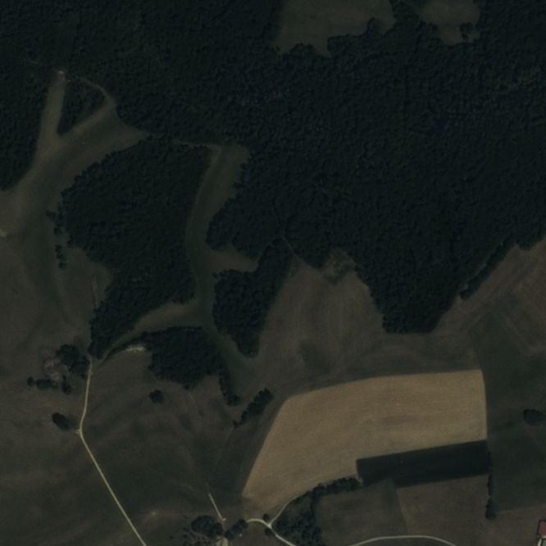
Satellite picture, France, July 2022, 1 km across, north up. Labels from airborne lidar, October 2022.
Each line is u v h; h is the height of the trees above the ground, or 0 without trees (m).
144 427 0
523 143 16
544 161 22
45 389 13
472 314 0
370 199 21
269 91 25
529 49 24
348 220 20
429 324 11
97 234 15
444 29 0
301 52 10
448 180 25
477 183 25
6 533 0
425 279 25
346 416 0
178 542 0
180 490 0
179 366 19
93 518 0
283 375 0
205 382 0
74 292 0
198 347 14
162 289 10
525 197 27
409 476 0
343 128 25
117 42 20
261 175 23
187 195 15
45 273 0
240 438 0
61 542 0
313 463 0
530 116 23
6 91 13
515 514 0
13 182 9
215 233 19
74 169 0
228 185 0
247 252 24
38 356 0
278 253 25
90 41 15
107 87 6
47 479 0
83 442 0
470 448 0
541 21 26
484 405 0
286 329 0
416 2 10
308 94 29
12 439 0
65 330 0
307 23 0
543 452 0
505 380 0
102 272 0
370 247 19
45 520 0
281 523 11
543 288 0
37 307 0
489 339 0
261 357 0
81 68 13
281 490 0
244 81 17
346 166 27
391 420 0
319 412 0
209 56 24
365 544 0
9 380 0
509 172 22
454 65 31
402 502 0
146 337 19
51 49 16
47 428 0
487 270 13
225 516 0
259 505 0
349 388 0
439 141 25
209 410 0
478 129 24
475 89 25
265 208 21
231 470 0
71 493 0
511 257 0
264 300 18
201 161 13
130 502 0
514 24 32
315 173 27
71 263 0
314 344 0
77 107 14
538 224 19
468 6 0
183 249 21
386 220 25
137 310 22
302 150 24
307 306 0
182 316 0
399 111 25
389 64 27
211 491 0
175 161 18
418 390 0
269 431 0
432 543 0
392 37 11
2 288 0
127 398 0
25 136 12
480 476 0
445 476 0
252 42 26
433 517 0
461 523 0
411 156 19
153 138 15
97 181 22
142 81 10
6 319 0
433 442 0
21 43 19
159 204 13
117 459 0
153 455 0
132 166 17
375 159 28
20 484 0
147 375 0
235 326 19
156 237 8
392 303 23
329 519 0
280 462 0
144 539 0
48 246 0
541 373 0
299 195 22
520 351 0
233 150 0
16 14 20
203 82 32
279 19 14
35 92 9
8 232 0
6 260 0
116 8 22
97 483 0
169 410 0
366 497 0
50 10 29
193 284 21
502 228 23
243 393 0
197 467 0
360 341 0
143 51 15
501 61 38
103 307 11
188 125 18
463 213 24
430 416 0
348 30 0
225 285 23
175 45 28
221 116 34
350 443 0
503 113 21
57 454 0
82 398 0
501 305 0
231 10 0
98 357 19
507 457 0
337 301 0
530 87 23
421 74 21
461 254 8
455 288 8
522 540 0
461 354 0
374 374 0
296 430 0
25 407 0
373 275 16
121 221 8
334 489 16
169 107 22
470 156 27
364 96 33
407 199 25
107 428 0
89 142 0
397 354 0
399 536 0
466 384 0
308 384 0
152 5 29
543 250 0
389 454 0
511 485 0
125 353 0
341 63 26
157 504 0
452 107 22
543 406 0
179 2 31
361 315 0
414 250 22
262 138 20
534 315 0
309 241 19
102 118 0
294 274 0
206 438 0
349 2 0
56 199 0
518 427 0
